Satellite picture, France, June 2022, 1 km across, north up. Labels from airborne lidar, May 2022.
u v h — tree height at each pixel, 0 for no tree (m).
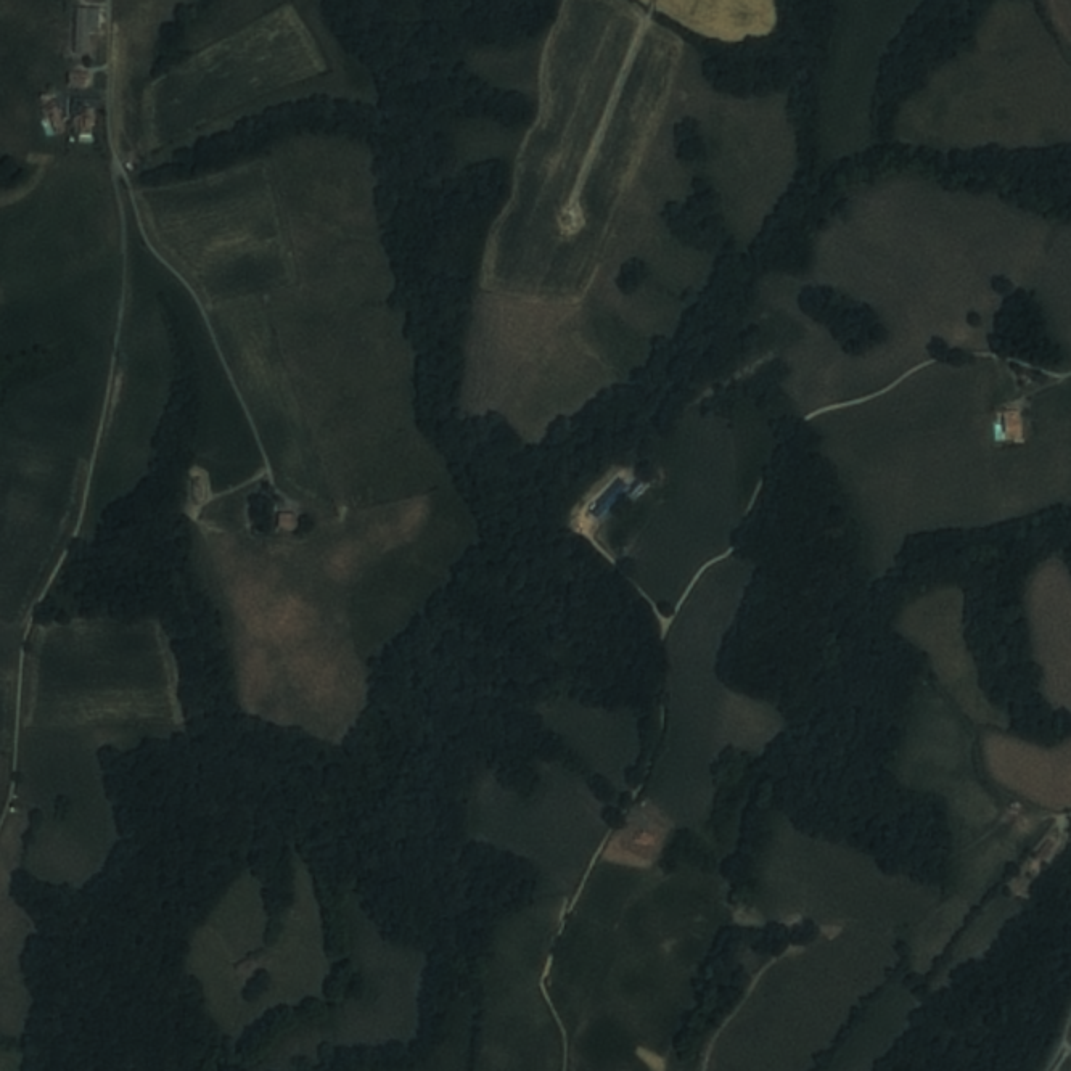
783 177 0
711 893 0
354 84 0
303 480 0
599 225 0
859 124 0
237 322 0
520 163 0
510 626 15
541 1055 0
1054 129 0
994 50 0
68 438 0
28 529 0
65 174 0
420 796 22
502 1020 0
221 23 0
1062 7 0
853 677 23
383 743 10
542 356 0
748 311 13
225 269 0
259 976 14
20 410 0
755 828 22
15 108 0
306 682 0
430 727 27
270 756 21
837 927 0
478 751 24
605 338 0
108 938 24
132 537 22
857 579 28
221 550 0
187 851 20
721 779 19
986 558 24
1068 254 0
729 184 0
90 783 0
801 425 11
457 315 17
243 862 19
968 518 0
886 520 0
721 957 20
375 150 10
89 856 0
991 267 0
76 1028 18
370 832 20
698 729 0
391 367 0
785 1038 0
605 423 15
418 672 24
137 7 0
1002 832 0
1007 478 0
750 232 0
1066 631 0
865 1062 0
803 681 27
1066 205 19
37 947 21
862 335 20
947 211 0
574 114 0
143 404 0
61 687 0
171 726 0
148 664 0
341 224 0
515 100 16
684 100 0
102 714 0
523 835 0
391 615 0
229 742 26
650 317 0
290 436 0
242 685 0
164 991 23
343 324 0
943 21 19
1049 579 0
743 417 0
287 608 0
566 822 0
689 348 23
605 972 0
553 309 0
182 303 0
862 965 0
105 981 28
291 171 0
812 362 0
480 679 17
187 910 20
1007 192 18
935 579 16
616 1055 0
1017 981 26
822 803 14
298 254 0
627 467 13
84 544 10
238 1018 0
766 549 17
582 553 19
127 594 22
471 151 0
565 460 21
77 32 0
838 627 26
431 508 0
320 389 0
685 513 0
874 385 0
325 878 19
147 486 15
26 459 0
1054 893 16
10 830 0
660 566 0
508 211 0
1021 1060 20
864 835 28
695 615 0
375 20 18
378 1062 16
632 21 0
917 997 11
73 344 0
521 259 0
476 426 19
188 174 12
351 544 0
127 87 0
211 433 0
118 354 0
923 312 0
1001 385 0
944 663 0
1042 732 16
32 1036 14
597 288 0
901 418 0
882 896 0
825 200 16
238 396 0
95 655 0
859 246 0
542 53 0
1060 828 0
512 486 25
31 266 0
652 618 16
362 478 0
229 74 0
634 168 0
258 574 0
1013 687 20
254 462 0
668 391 10
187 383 9
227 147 19
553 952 9
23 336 0
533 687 16
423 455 0
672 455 0
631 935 0
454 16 19
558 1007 0
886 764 13
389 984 0
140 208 0
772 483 11
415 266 19
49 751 0
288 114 17
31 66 0
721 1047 0
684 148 15
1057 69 0
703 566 0
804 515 20
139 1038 17
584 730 0
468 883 13
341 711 0
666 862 5
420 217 23
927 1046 20
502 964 0
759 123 0
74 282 0
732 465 0
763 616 19
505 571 18
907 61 22
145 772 21
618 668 10
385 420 0
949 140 0
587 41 0
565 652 12
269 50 0
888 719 20
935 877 9
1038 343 20
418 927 17
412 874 22
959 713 0
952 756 0
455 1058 0
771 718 0
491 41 14
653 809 0
